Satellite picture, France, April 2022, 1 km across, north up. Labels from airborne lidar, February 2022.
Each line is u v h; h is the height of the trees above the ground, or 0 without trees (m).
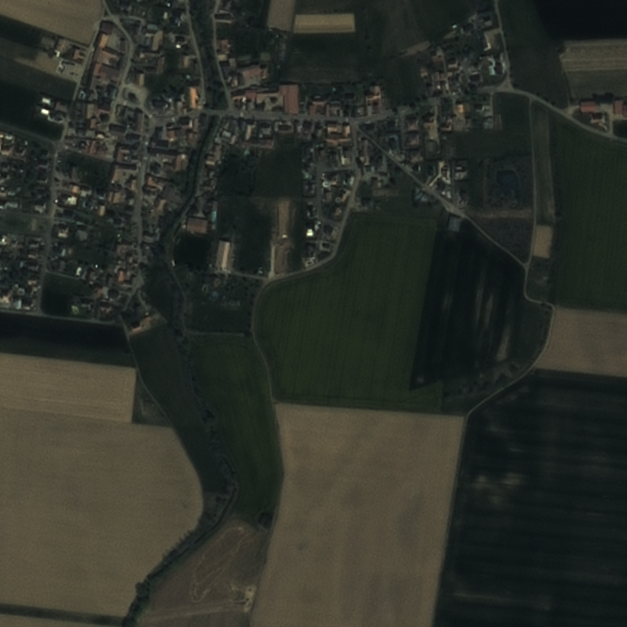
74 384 0
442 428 0
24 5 0
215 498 0
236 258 0
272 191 0
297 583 0
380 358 0
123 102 0
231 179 0
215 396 0
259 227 0
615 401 0
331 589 0
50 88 0
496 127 0
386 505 0
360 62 0
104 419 0
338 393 0
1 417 0
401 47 0
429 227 0
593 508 0
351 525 0
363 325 0
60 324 0
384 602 0
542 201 0
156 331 0
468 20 0
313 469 0
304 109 0
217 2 0
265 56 0
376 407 0
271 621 0
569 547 0
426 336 0
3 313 0
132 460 0
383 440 0
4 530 0
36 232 0
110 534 0
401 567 0
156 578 8
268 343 0
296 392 0
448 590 0
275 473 0
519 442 0
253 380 0
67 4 0
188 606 0
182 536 0
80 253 0
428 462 0
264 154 0
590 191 0
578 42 0
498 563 0
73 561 0
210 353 0
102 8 0
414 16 0
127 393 0
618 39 0
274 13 0
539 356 0
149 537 0
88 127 7
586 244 0
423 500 0
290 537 0
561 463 0
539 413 0
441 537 0
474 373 0
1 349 0
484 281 0
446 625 0
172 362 0
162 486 0
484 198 0
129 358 0
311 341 0
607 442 0
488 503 0
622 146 0
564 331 0
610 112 0
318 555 0
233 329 0
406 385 0
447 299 0
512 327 0
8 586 0
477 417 0
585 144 0
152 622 0
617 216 0
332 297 0
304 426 0
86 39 0
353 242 0
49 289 0
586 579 0
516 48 0
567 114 0
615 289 0
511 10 0
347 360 0
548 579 0
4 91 0
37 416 0
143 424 0
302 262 0
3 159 0
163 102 0
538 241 0
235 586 0
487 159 0
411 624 0
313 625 0
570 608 0
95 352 0
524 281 0
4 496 0
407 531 0
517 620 0
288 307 0
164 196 0
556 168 0
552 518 0
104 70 0
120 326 9
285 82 0
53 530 0
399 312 0
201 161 0
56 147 0
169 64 0
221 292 0
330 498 0
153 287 0
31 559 0
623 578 0
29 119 0
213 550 0
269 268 0
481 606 0
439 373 0
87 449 0
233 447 0
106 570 0
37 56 0
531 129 0
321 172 0
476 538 0
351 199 0
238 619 0
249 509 0
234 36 0
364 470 0
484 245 0
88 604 0
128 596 0
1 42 0
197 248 0
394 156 0
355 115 0
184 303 10
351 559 0
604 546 0
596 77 0
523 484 0
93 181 0
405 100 0
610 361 0
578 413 0
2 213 0
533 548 0
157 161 0
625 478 0
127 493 0
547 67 0
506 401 0
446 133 7
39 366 0
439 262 0
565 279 0
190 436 0
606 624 0
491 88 0
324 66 0
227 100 10
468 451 0
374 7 0
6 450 0
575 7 0
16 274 15
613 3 0
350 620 0
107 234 0
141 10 0
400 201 0
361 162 14
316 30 0
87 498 0
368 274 0
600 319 0
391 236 0
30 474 0
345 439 0
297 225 0
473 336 0
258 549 0
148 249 0
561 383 0
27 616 0
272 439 0
